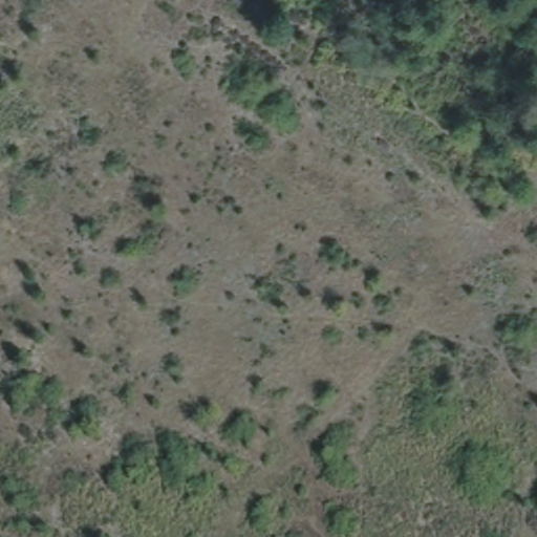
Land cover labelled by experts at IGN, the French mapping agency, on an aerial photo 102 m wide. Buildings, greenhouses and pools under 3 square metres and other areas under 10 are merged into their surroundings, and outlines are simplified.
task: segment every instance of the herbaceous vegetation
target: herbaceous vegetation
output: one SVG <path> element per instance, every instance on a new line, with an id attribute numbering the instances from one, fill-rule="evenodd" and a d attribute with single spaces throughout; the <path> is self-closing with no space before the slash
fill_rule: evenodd
<path id="1" fill-rule="evenodd" d="M 55 375 L 61 382 L 61 388 L 67 390 L 67 401 L 71 403 L 65 424 L 55 426 L 57 438 L 31 443 L 31 436 L 38 434 L 38 430 L 46 428 L 44 420 L 48 405 L 38 407 L 34 415 L 25 415 L 23 411 L 10 413 L 0 392 L 0 447 L 8 449 L 13 443 L 19 443 L 19 447 L 27 451 L 27 457 L 34 459 L 34 468 L 29 472 L 29 485 L 34 489 L 46 485 L 50 472 L 61 474 L 67 468 L 88 472 L 86 482 L 76 485 L 73 493 L 65 497 L 55 497 L 55 503 L 50 508 L 31 510 L 31 516 L 46 520 L 46 524 L 55 529 L 61 537 L 537 537 L 537 344 L 533 350 L 520 346 L 524 331 L 529 327 L 537 327 L 537 201 L 531 208 L 506 208 L 506 212 L 493 218 L 482 218 L 470 201 L 470 197 L 453 185 L 449 176 L 436 174 L 428 166 L 428 153 L 413 151 L 409 134 L 394 128 L 390 115 L 394 111 L 388 103 L 378 103 L 371 90 L 359 88 L 357 80 L 346 80 L 344 73 L 327 69 L 317 71 L 315 65 L 319 61 L 321 48 L 325 44 L 334 44 L 334 31 L 321 25 L 319 21 L 304 21 L 300 29 L 294 31 L 292 21 L 279 21 L 283 8 L 279 0 L 0 0 L 0 382 L 8 371 L 42 369 L 46 375 Z M 298 132 L 283 134 L 275 130 L 275 126 L 269 120 L 260 117 L 256 111 L 243 109 L 241 105 L 229 101 L 229 71 L 239 67 L 239 63 L 245 57 L 245 48 L 252 48 L 254 61 L 266 61 L 269 65 L 277 63 L 279 84 L 294 94 L 296 111 L 300 115 Z M 191 82 L 180 78 L 172 61 L 174 57 L 187 52 L 191 52 L 197 63 L 197 73 Z M 254 151 L 245 143 L 245 138 L 235 132 L 235 126 L 241 120 L 258 126 L 269 134 L 269 149 Z M 461 413 L 457 415 L 453 432 L 438 430 L 422 434 L 420 430 L 413 430 L 409 426 L 407 394 L 413 390 L 409 380 L 409 367 L 432 367 L 434 384 L 451 384 L 451 388 L 447 390 L 445 405 L 461 405 Z M 84 394 L 94 396 L 105 407 L 105 415 L 101 417 L 99 428 L 101 441 L 82 434 L 76 438 L 67 432 L 69 428 L 82 424 L 86 415 Z M 275 422 L 271 432 L 256 430 L 254 438 L 245 447 L 241 443 L 224 441 L 220 436 L 239 424 L 241 409 L 252 411 L 256 422 Z M 212 461 L 208 459 L 208 455 L 201 453 L 201 464 L 197 472 L 206 472 L 206 485 L 201 487 L 203 495 L 191 497 L 189 501 L 185 501 L 176 491 L 162 491 L 159 472 L 151 474 L 147 485 L 124 485 L 122 491 L 109 491 L 101 478 L 101 466 L 107 464 L 111 455 L 120 453 L 122 436 L 128 432 L 145 436 L 162 428 L 210 443 L 214 449 L 231 453 L 237 459 L 229 459 L 229 468 L 222 468 L 222 464 Z M 348 447 L 348 457 L 361 474 L 359 482 L 350 489 L 340 489 L 334 485 L 336 476 L 329 474 L 329 464 L 323 455 L 325 443 L 344 428 L 355 430 L 352 445 Z M 466 485 L 472 441 L 499 445 L 499 451 L 506 453 L 510 459 L 510 482 L 489 508 L 470 503 L 470 499 L 459 489 L 459 485 Z"/>

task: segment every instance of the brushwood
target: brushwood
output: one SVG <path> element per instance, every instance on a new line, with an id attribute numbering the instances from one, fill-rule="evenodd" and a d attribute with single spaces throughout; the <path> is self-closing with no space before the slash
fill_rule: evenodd
<path id="1" fill-rule="evenodd" d="M 323 455 L 329 464 L 329 474 L 336 476 L 334 485 L 340 489 L 350 489 L 359 482 L 361 474 L 348 457 L 348 447 L 352 445 L 355 430 L 344 428 L 325 443 Z"/>
<path id="2" fill-rule="evenodd" d="M 457 76 L 466 69 L 461 65 L 464 55 L 476 55 L 478 50 L 489 50 L 491 46 L 503 48 L 506 42 L 518 46 L 522 38 L 537 34 L 537 0 L 445 0 L 445 25 L 441 27 L 441 31 L 430 34 L 426 38 L 424 50 L 417 55 L 415 61 L 407 65 L 401 59 L 401 55 L 407 42 L 396 38 L 399 29 L 392 27 L 390 17 L 378 13 L 369 19 L 365 17 L 365 10 L 371 0 L 279 0 L 283 8 L 279 21 L 292 21 L 294 31 L 300 29 L 304 21 L 319 21 L 321 25 L 334 31 L 334 44 L 325 44 L 321 48 L 319 61 L 315 65 L 317 71 L 327 69 L 344 73 L 346 80 L 357 80 L 359 88 L 371 90 L 378 103 L 388 103 L 394 111 L 390 115 L 394 128 L 409 134 L 413 151 L 428 153 L 428 166 L 436 174 L 449 176 L 453 185 L 470 197 L 470 201 L 482 218 L 493 218 L 506 212 L 506 208 L 531 208 L 537 201 L 537 141 L 522 143 L 516 138 L 506 147 L 501 155 L 480 159 L 472 151 L 480 145 L 480 124 L 466 124 L 457 130 L 443 128 L 441 107 L 445 103 L 453 103 L 459 96 Z"/>
<path id="3" fill-rule="evenodd" d="M 13 443 L 8 449 L 0 447 L 0 537 L 61 537 L 55 529 L 46 524 L 46 520 L 31 516 L 31 510 L 50 508 L 55 503 L 55 497 L 65 497 L 73 493 L 76 485 L 86 482 L 88 472 L 67 468 L 61 474 L 50 472 L 46 485 L 34 489 L 29 485 L 29 472 L 34 468 L 34 459 L 27 457 L 27 451 L 19 447 L 19 443 Z"/>
<path id="4" fill-rule="evenodd" d="M 174 57 L 172 61 L 180 78 L 191 82 L 197 73 L 197 63 L 191 52 L 187 52 Z"/>
<path id="5" fill-rule="evenodd" d="M 275 422 L 256 422 L 252 411 L 241 409 L 239 424 L 220 436 L 224 441 L 241 443 L 245 447 L 254 438 L 256 430 L 271 432 Z"/>
<path id="6" fill-rule="evenodd" d="M 99 428 L 101 417 L 105 415 L 105 407 L 94 396 L 84 394 L 86 415 L 82 424 L 69 428 L 67 432 L 76 438 L 82 434 L 101 441 Z"/>
<path id="7" fill-rule="evenodd" d="M 239 67 L 229 71 L 229 101 L 241 105 L 243 109 L 256 111 L 260 117 L 269 120 L 275 126 L 275 130 L 283 134 L 298 132 L 300 115 L 296 111 L 294 94 L 279 84 L 277 63 L 269 65 L 266 61 L 254 61 L 252 48 L 245 48 L 245 57 L 239 63 Z"/>
<path id="8" fill-rule="evenodd" d="M 235 132 L 245 138 L 245 143 L 254 151 L 269 149 L 269 134 L 258 126 L 241 120 L 235 126 Z"/>
<path id="9" fill-rule="evenodd" d="M 459 489 L 470 499 L 470 503 L 489 508 L 510 482 L 510 459 L 506 453 L 499 451 L 499 445 L 472 441 L 466 485 L 459 485 Z"/>
<path id="10" fill-rule="evenodd" d="M 537 327 L 529 327 L 524 331 L 520 346 L 533 350 L 537 344 Z"/>
<path id="11" fill-rule="evenodd" d="M 201 464 L 201 453 L 208 455 L 208 459 L 212 461 L 222 464 L 222 468 L 229 468 L 229 459 L 237 459 L 231 453 L 214 449 L 210 443 L 162 428 L 145 436 L 128 432 L 122 436 L 120 453 L 111 455 L 107 464 L 101 466 L 101 478 L 109 491 L 122 491 L 124 485 L 147 485 L 151 474 L 159 472 L 162 491 L 176 491 L 185 501 L 189 501 L 191 497 L 203 495 L 201 487 L 206 485 L 206 472 L 197 472 Z"/>
<path id="12" fill-rule="evenodd" d="M 413 390 L 407 394 L 409 426 L 413 430 L 420 430 L 422 434 L 438 430 L 453 432 L 457 415 L 461 413 L 461 405 L 445 405 L 447 390 L 451 388 L 451 384 L 434 384 L 432 367 L 409 367 L 409 380 Z"/>
<path id="13" fill-rule="evenodd" d="M 38 407 L 48 405 L 44 420 L 46 428 L 38 430 L 38 434 L 31 436 L 31 443 L 57 438 L 55 426 L 65 424 L 71 403 L 67 401 L 67 390 L 61 388 L 61 382 L 55 375 L 46 375 L 42 369 L 8 371 L 0 382 L 0 392 L 10 413 L 23 411 L 25 415 L 34 415 Z"/>

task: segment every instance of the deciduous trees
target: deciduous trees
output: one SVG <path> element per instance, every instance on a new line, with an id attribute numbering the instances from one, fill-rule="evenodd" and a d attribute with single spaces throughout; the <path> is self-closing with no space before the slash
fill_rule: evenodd
<path id="1" fill-rule="evenodd" d="M 516 138 L 522 143 L 537 141 L 537 34 L 522 38 L 518 46 L 506 42 L 503 48 L 491 46 L 489 50 L 478 50 L 476 55 L 464 55 L 461 65 L 466 69 L 457 76 L 459 96 L 453 103 L 445 103 L 441 107 L 443 128 L 457 130 L 466 124 L 480 124 L 480 145 L 472 151 L 480 159 L 501 155 L 506 147 Z"/>
<path id="2" fill-rule="evenodd" d="M 401 55 L 401 59 L 407 65 L 415 61 L 417 55 L 424 50 L 426 38 L 430 34 L 441 31 L 441 27 L 445 25 L 445 0 L 371 0 L 365 10 L 365 17 L 369 19 L 378 13 L 390 17 L 392 27 L 399 29 L 396 38 L 407 42 Z"/>

